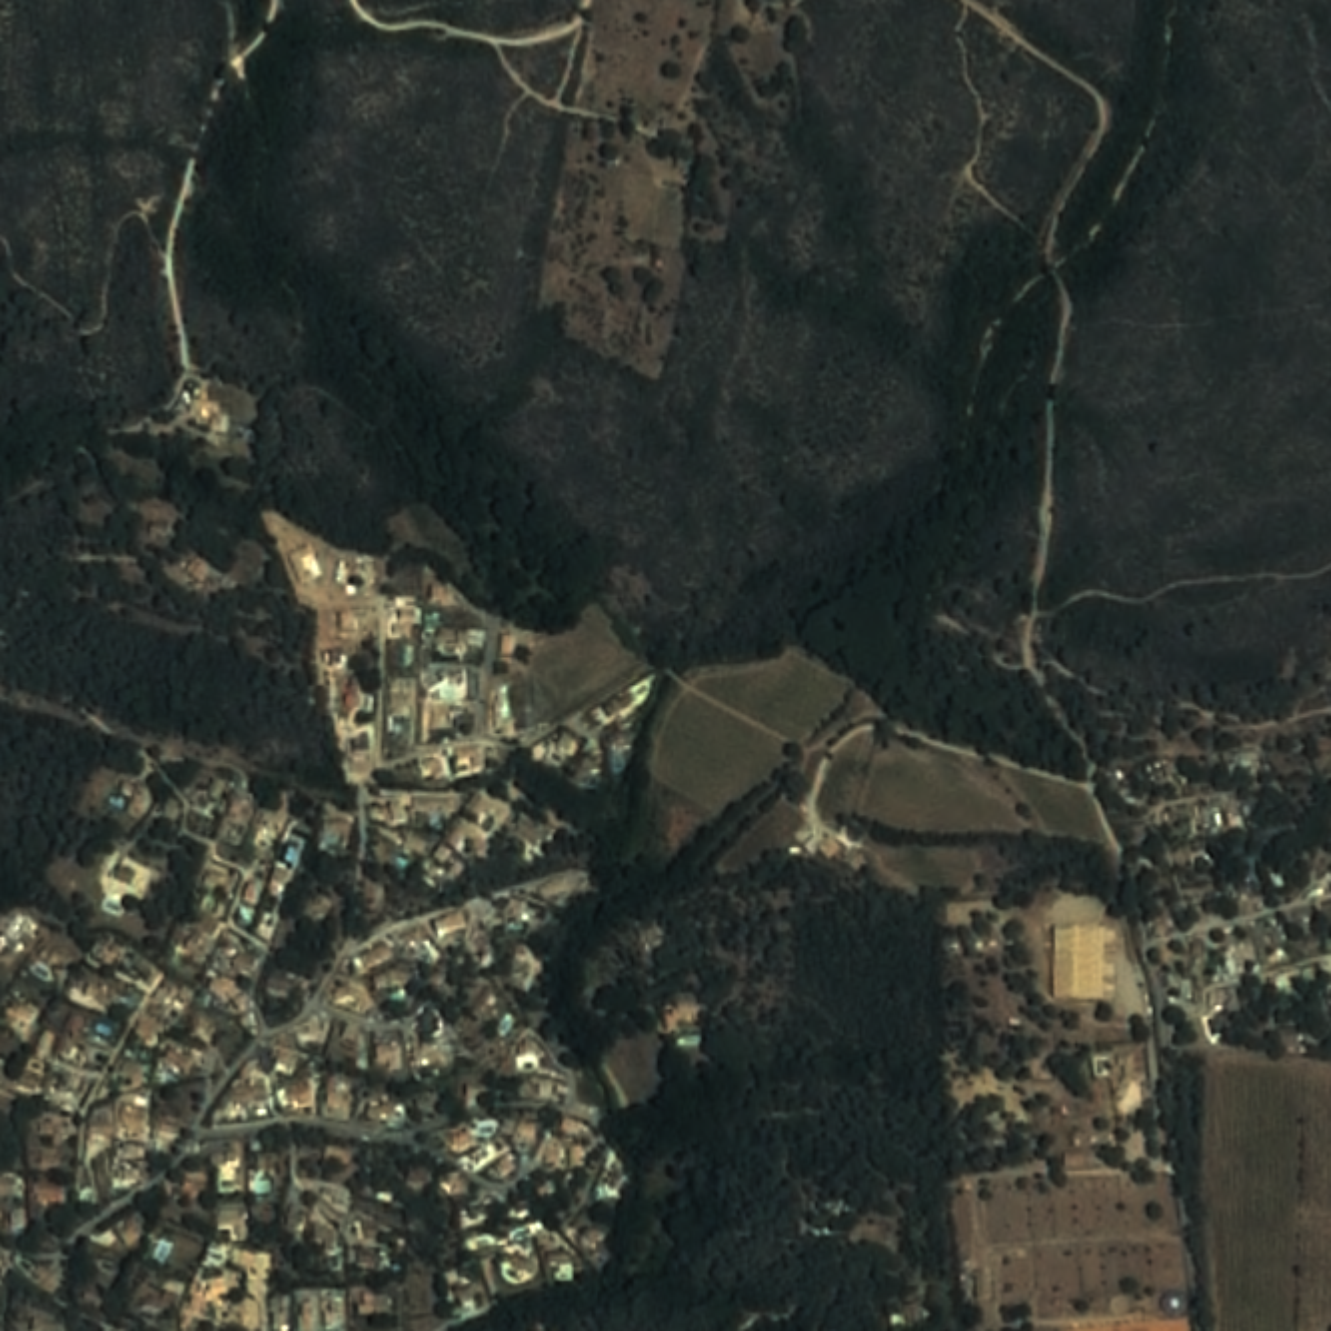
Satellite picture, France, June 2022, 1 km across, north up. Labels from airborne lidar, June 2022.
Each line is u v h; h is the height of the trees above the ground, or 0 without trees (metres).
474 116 0
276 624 10
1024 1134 15
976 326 6
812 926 7
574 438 0
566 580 15
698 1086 17
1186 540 0
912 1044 8
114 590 15
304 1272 11
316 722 9
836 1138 9
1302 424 0
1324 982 11
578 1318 9
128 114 0
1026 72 0
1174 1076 11
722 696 0
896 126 0
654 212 0
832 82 0
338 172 0
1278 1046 10
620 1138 13
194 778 10
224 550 14
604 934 26
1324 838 10
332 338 7
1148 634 9
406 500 8
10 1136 12
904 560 12
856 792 0
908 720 13
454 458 13
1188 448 0
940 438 8
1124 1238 0
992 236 6
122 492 14
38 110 0
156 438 10
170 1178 10
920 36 0
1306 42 0
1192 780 7
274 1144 9
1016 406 7
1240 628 0
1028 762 12
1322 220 0
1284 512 0
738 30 10
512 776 8
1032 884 9
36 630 11
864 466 0
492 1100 12
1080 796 0
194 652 10
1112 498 0
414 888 10
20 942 0
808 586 7
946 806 0
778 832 0
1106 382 0
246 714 11
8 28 0
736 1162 15
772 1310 10
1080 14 0
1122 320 0
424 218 0
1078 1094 13
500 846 14
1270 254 0
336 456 0
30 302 14
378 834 9
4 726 7
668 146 9
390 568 6
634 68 0
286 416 9
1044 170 0
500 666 8
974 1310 8
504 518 15
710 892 6
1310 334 0
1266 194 0
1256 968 8
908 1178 10
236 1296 12
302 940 9
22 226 0
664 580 0
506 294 0
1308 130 0
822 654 16
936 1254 8
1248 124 0
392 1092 7
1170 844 6
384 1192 10
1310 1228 0
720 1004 11
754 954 11
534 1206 8
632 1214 17
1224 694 11
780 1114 11
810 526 6
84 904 10
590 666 0
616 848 11
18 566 11
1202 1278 9
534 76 0
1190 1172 13
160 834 10
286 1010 9
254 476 12
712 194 12
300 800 7
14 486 12
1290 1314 0
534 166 0
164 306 0
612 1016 15
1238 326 0
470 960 8
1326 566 0
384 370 8
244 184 6
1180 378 0
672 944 16
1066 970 0
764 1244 17
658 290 12
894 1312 10
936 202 0
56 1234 14
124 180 0
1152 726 10
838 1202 9
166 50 0
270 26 11
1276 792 10
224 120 14
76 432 19
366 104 0
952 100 0
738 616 7
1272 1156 0
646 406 0
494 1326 10
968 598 10
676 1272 12
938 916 11
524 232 0
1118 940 0
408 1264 6
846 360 6
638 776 17
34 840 13
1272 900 9
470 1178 0
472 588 11
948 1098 14
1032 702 13
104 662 13
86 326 12
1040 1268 0
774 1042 7
